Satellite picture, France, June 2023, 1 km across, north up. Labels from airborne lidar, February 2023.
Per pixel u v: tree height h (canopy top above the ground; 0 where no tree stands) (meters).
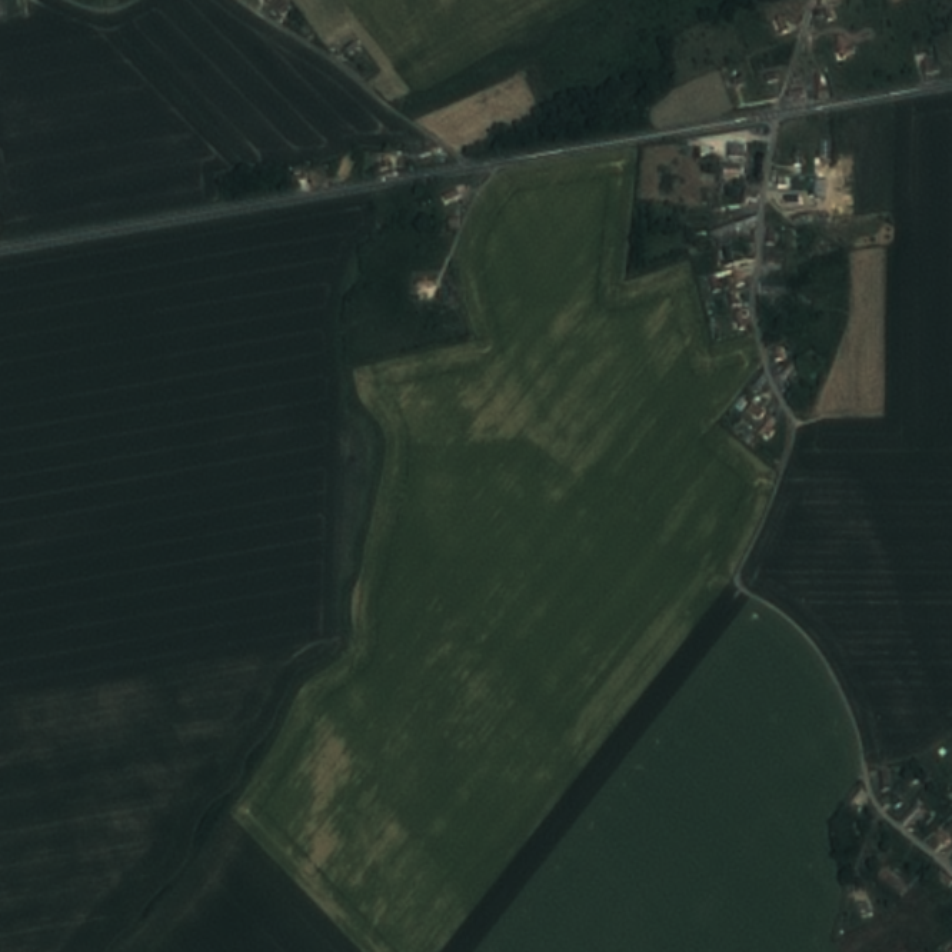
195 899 0
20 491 0
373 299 0
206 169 0
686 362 0
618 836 0
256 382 0
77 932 0
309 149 0
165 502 0
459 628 0
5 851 0
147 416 0
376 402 0
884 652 0
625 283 0
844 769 0
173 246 0
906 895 0
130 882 0
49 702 0
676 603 0
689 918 0
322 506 0
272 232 0
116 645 0
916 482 0
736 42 0
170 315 0
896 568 0
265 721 0
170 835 0
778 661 0
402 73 0
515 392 0
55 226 0
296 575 0
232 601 0
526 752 0
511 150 17
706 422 0
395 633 0
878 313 0
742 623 0
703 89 0
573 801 0
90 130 0
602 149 0
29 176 0
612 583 0
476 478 0
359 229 0
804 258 7
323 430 0
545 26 0
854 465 0
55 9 0
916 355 0
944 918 0
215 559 0
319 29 0
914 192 0
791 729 0
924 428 0
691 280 0
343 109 0
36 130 0
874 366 0
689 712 0
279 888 0
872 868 13
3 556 0
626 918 0
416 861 0
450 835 0
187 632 0
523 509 0
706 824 0
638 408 0
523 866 0
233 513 0
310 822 0
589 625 0
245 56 0
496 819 0
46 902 0
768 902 0
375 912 0
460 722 0
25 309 0
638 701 0
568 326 0
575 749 0
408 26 0
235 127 0
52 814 0
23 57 0
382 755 0
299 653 0
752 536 0
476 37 0
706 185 0
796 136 0
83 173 0
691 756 0
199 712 0
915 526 0
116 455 0
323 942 0
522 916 0
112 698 0
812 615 0
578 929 0
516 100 0
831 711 0
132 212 0
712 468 0
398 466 0
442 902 0
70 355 0
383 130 0
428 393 0
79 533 0
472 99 0
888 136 0
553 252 0
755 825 0
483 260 0
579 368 0
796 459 0
